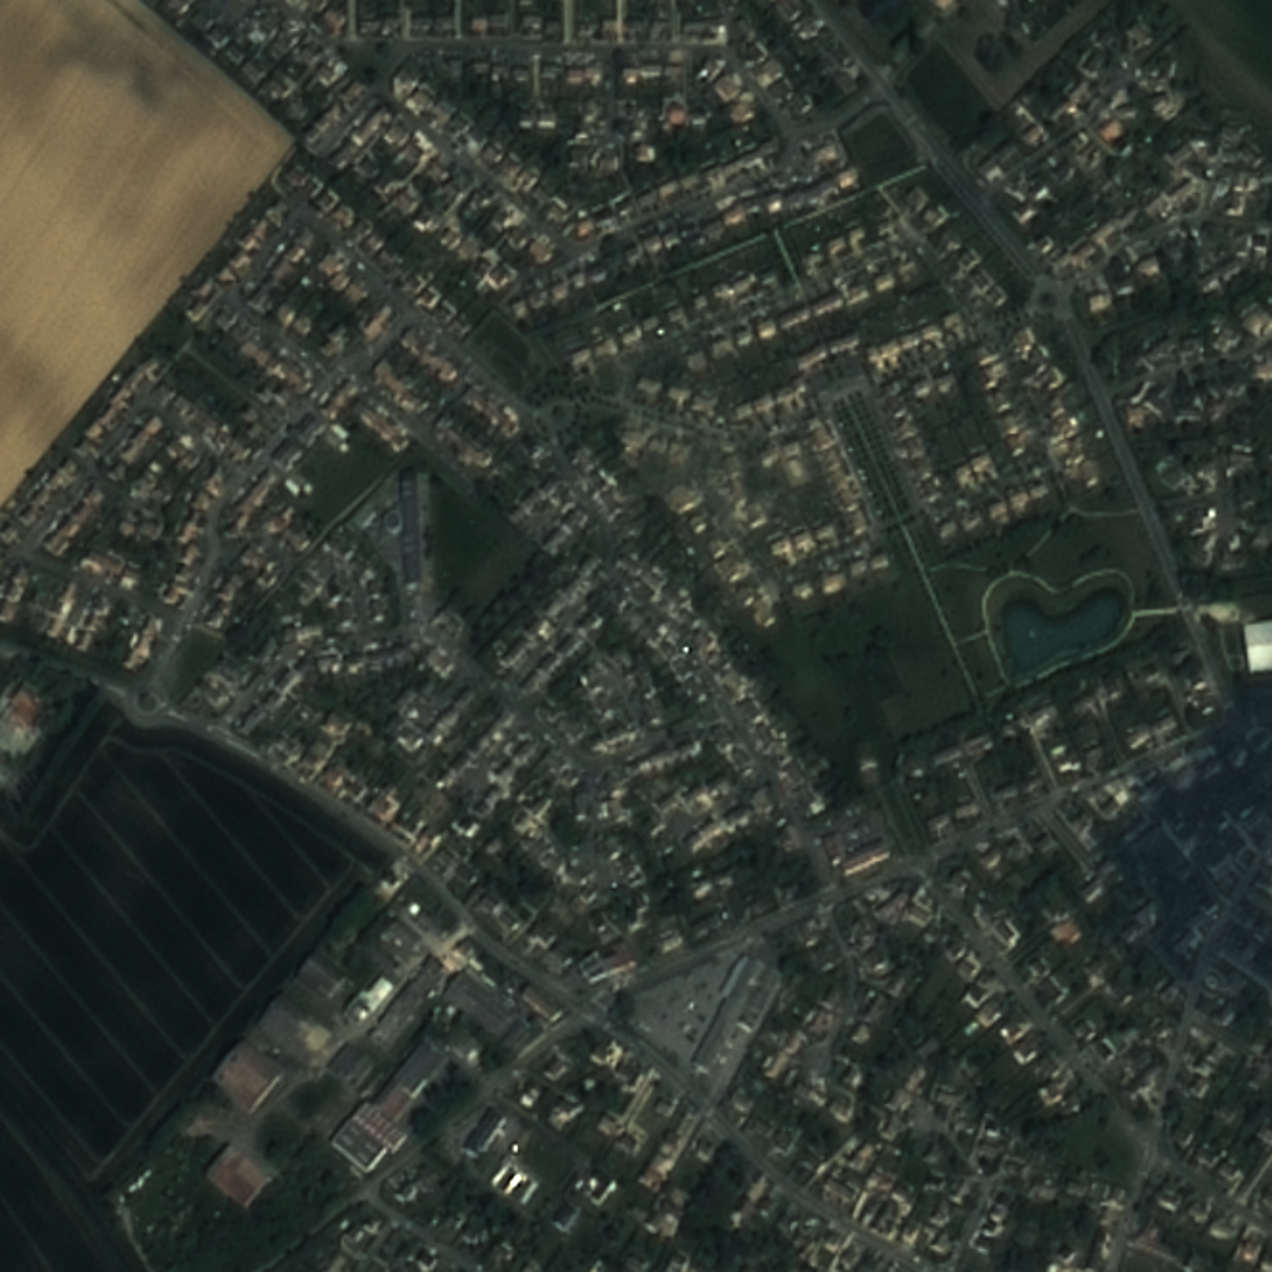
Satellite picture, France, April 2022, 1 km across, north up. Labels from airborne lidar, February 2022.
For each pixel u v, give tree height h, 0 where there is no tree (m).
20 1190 0
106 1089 0
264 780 0
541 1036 0
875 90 0
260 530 0
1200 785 9
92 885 0
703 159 8
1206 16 0
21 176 0
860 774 0
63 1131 0
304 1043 0
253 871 0
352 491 0
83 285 0
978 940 0
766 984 0
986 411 0
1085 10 0
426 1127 22
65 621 0
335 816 0
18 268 0
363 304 8
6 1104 0
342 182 12
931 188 0
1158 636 7
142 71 0
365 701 6
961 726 11
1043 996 7
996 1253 12
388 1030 0
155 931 0
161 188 0
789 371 0
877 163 0
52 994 0
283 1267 6
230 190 0
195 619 0
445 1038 7
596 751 0
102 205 0
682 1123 0
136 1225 0
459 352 0
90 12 0
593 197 0
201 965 0
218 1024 0
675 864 12
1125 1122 0
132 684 0
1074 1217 9
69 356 0
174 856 0
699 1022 0
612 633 7
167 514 10
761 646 0
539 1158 0
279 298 9
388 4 7
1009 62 23
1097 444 0
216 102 0
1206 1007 8
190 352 0
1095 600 0
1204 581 15
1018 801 0
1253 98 0
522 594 8
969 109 0
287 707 0
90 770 0
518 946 0
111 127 0
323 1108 0
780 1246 6
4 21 0
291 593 7
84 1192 0
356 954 10
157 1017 0
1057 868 7
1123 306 12
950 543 0
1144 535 0
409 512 0
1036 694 9
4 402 0
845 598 8
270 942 0
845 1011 0
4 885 0
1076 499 11
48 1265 0
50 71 0
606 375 0
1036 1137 17
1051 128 11
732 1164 16
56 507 0
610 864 0
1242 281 10
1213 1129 10
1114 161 5
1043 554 0
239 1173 0
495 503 12
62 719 12
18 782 0
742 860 10
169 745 0
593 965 0
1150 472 10
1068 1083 0
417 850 0
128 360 0
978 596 0
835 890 0
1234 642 0
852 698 0
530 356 0
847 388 0
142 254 0
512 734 0
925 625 0
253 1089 0
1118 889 7
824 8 0
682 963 0
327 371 0
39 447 0
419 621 0
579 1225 0
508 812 10
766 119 8
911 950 8
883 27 27
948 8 0
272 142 0
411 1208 9
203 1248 7
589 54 0
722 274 0
